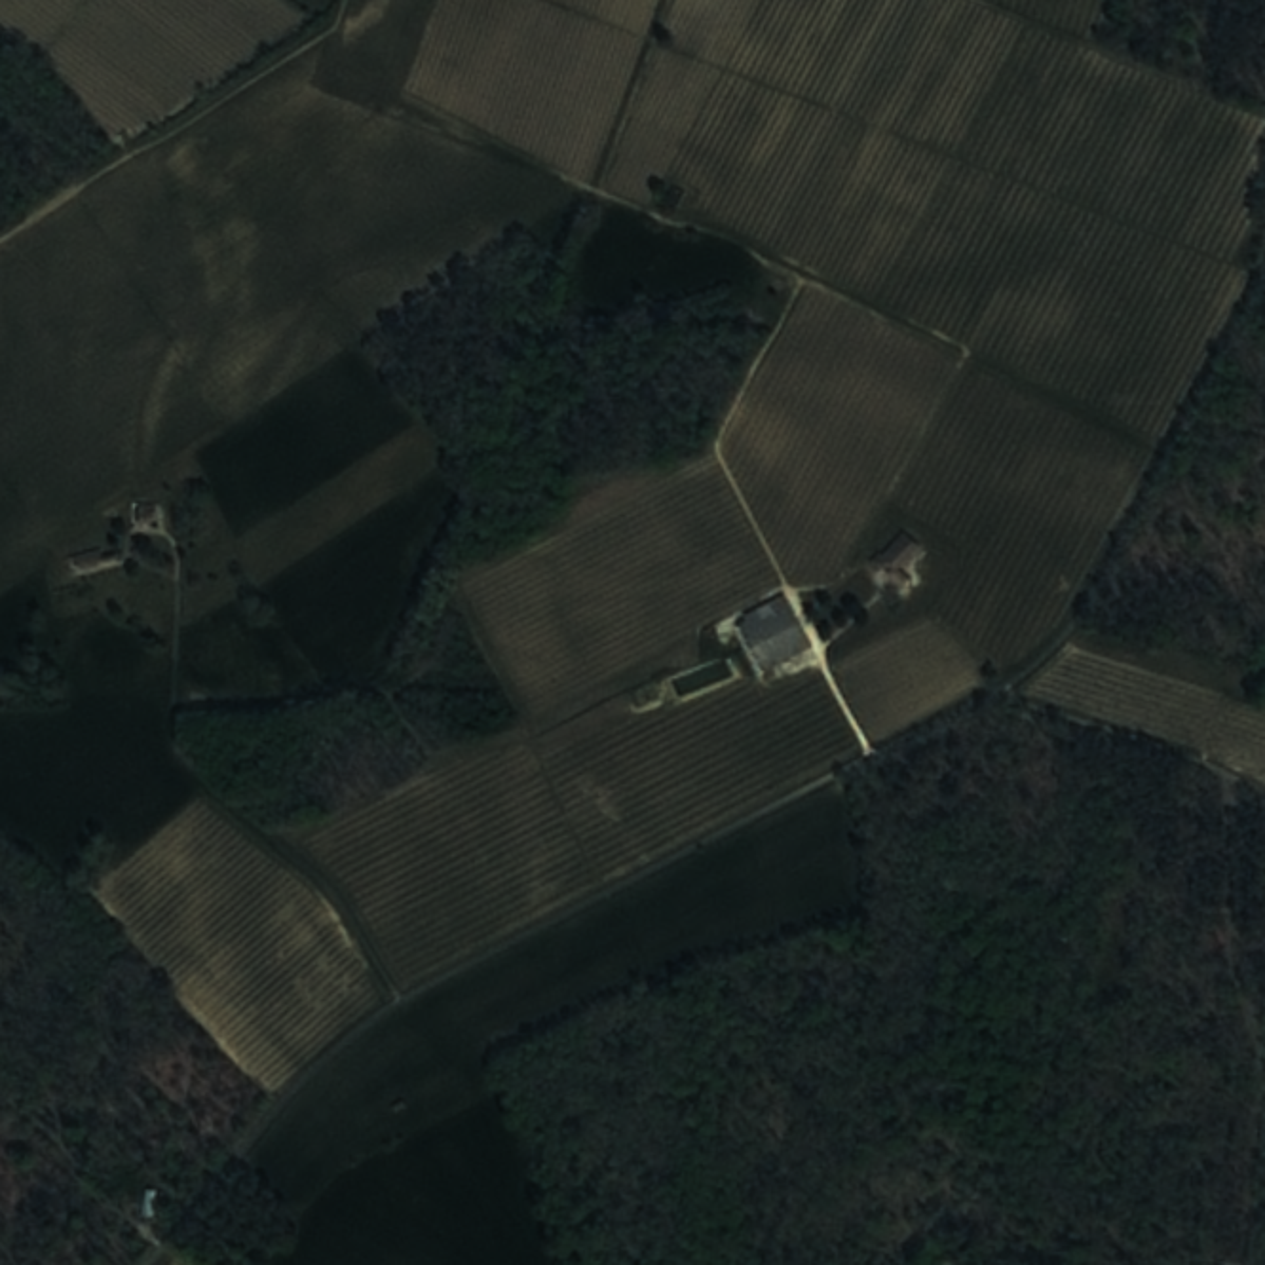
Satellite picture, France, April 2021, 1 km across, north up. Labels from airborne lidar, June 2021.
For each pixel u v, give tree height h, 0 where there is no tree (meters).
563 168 0
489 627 0
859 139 0
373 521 0
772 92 0
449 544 18
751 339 20
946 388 0
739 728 0
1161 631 23
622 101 0
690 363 12
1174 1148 18
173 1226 14
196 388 0
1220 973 16
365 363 0
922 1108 23
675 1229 18
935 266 0
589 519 0
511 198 0
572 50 0
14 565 0
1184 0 15
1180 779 21
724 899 0
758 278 0
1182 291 0
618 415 18
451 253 0
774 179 0
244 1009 0
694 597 0
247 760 17
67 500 0
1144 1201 19
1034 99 0
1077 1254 22
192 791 0
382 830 0
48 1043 26
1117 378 0
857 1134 15
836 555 0
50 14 0
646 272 0
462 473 22
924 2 0
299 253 0
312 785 17
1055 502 0
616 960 0
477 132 0
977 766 10
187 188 0
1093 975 18
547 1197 20
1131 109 0
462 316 18
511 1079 21
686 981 21
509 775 0
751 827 0
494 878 0
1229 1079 10
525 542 10
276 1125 0
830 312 0
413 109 0
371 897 0
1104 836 22
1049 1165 20
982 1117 24
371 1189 0
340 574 0
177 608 0
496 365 26
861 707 0
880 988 19
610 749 0
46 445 0
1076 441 0
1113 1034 15
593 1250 24
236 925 0
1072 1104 17
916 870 20
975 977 27
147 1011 13
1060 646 0
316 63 0
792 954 13
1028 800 19
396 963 0
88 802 0
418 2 0
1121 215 0
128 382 0
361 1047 0
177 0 0
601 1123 20
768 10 0
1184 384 0
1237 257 0
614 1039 15
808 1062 15
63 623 0
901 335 0
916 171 0
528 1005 0
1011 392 0
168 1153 15
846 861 0
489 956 0
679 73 0
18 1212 11
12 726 0
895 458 0
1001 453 0
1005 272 0
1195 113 0
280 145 0
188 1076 10
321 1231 0
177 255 0
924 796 12
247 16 0
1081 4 0
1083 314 0
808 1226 15
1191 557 9
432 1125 0
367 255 0
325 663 0
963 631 0
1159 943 19
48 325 0
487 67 0
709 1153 24
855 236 0
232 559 0
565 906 0
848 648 0
